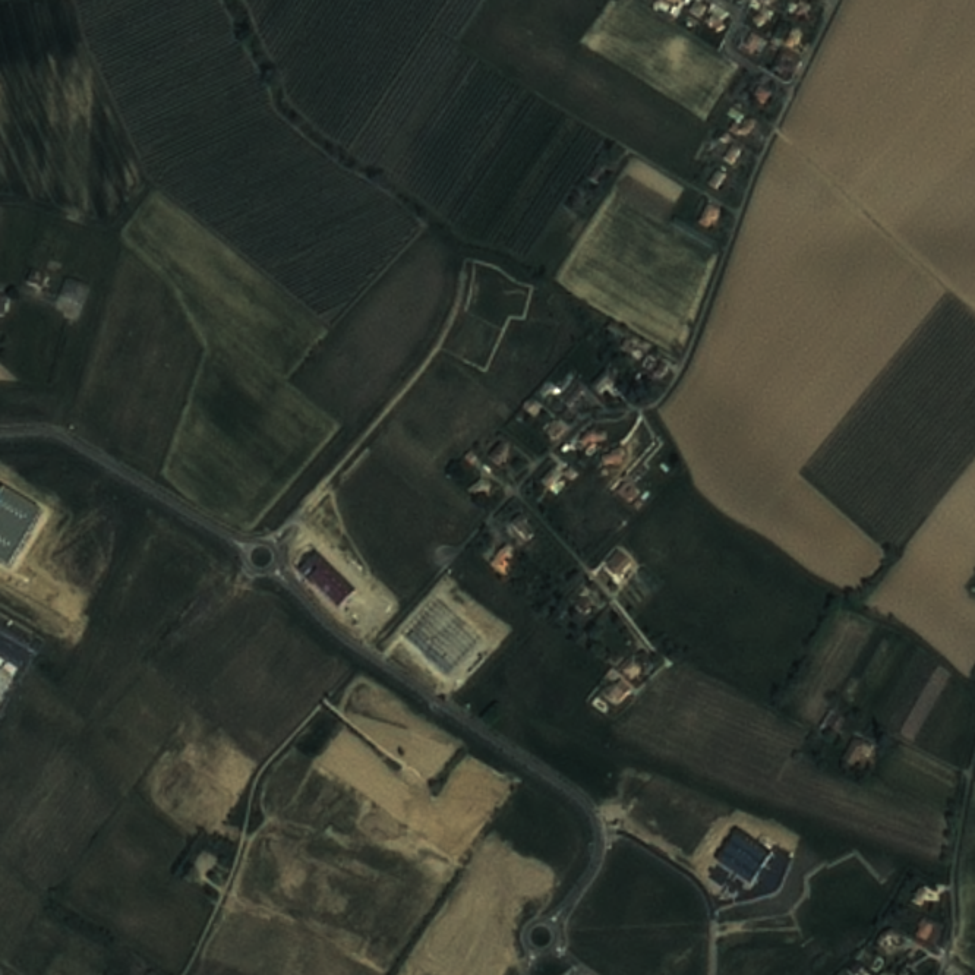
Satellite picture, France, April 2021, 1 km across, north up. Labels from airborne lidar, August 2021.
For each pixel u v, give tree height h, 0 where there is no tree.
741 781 0
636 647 0
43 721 0
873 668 0
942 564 0
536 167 6
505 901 0
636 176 0
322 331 0
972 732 0
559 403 10
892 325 0
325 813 0
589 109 0
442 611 0
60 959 0
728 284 0
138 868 0
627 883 0
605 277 0
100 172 0
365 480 0
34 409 0
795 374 0
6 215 0
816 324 0
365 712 0
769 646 0
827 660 0
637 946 0
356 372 0
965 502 0
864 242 0
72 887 0
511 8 0
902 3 0
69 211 0
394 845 0
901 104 0
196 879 16
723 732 0
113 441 0
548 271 10
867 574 0
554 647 0
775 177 0
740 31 0
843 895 0
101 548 0
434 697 0
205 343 0
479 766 0
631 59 0
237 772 0
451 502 0
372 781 0
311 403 0
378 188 18
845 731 0
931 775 0
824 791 0
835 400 0
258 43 19
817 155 0
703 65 0
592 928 0
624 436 0
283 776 0
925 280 0
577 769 0
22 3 0
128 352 0
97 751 0
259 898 0
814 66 0
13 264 0
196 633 0
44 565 0
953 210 0
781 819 0
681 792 0
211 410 0
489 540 7
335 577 0
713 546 0
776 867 0
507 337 0
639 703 0
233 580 0
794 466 0
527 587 6
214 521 0
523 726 0
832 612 11
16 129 0
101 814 0
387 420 0
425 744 0
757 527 0
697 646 0
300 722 0
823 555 0
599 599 7
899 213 0
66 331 0
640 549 0
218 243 0
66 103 0
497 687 0
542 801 0
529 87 0
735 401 0
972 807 0
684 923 0
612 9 0
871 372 0
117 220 0
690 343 0
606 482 0
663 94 0
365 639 0
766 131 0
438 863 0
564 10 0
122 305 0
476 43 0
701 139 0
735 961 0
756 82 9
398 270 0
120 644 0
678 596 0
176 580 0
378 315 0
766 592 0
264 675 0
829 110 0
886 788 0
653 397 16
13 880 0
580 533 0
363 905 0
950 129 0
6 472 0
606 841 0
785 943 0
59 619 0
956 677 0
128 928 0
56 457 0
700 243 0
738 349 0
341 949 0
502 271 0
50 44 0
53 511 0
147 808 0
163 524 0
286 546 0
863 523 0
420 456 0
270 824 0
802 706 0
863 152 0
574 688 0
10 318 0
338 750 0
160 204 0
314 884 0
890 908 6
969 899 0
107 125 0
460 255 0
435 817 0
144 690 0
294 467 0
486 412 0
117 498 0
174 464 0
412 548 0
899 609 0
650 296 0
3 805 0
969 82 0
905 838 0
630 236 0
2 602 0
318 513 0
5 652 0
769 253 0
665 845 0
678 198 0
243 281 0
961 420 0
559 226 0
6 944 0
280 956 0
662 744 0
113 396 0
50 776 0
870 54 0
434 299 0
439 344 0
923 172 0
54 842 0
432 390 0
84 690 0
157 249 0
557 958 0
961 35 0
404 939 0
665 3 0
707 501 0
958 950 0
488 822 0
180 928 0
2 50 0
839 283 0
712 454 0
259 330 0
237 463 0
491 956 0
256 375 0
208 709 0
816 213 0
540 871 0
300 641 0
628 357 9
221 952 0
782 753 0
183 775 0
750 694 0
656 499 0
